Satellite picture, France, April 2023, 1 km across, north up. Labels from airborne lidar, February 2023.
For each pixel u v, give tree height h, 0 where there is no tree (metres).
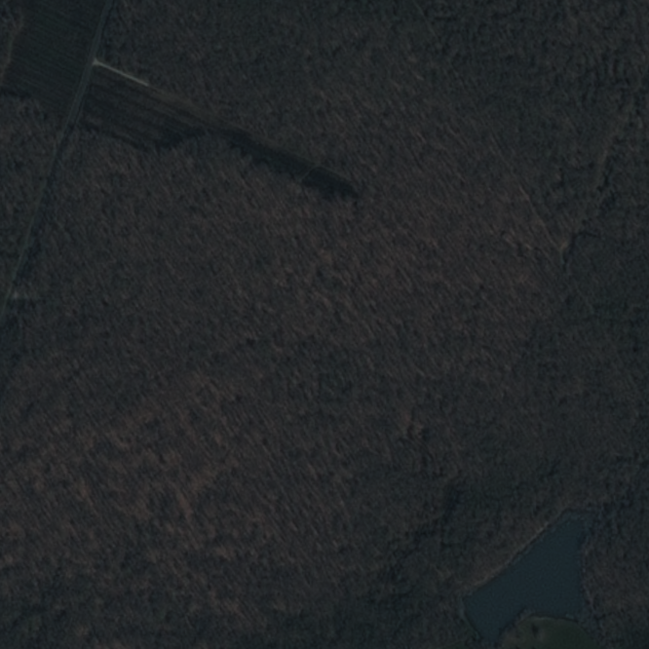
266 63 18
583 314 18
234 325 19
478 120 26
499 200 22
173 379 23
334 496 22
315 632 17
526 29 23
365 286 27
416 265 22
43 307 19
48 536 25
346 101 25
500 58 25
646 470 20
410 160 25
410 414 19
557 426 21
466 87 22
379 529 21
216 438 24
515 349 19
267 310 21
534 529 18
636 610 21
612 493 23
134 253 24
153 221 22
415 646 24
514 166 25
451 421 18
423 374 21
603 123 24
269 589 17
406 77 22
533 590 0
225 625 19
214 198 19
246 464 22
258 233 19
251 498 21
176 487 26
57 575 22
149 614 29
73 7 0
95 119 0
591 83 23
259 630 22
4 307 13
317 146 21
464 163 21
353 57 23
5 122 24
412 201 21
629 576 19
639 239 15
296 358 26
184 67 21
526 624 0
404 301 23
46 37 0
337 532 24
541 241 21
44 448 24
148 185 24
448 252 23
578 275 17
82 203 17
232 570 23
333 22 22
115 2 8
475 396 21
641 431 16
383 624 21
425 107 26
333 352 24
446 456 14
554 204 24
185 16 22
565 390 20
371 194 23
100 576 21
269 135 22
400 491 22
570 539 0
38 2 0
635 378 13
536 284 20
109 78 0
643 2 24
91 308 24
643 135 24
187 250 20
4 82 0
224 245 20
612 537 20
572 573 0
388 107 27
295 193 24
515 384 22
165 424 22
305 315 20
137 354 23
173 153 23
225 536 19
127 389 23
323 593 22
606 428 21
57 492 27
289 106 24
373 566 21
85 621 21
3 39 21
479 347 21
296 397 23
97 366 25
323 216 24
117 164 24
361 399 9
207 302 24
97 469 25
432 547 21
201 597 22
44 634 22
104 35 9
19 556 25
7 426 22
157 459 23
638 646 19
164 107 0
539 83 22
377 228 17
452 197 24
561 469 19
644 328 21
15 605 23
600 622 13
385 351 22
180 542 22
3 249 21
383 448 25
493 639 0
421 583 22
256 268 22
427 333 16
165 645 23
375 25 27
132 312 21
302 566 26
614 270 18
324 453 22
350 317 27
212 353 21
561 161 24
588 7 26
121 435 24
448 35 20
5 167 24
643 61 25
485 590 0
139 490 24
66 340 21
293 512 24
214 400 24
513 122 19
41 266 25
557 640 0
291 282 22
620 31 25
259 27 19
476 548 16
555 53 25
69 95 0
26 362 23
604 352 15
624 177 18
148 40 22
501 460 19
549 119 23
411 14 17
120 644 23
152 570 25
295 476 23
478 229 18
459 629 22
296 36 21
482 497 17
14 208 23
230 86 23
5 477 22
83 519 24
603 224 19
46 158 22
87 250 22
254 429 21
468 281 24
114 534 23
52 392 22
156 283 25
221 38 19
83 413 22
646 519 23
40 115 10
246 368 24
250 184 25
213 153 19
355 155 11
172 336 22
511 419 19
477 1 20
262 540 21
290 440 24
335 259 24
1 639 23
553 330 21
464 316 19
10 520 26
